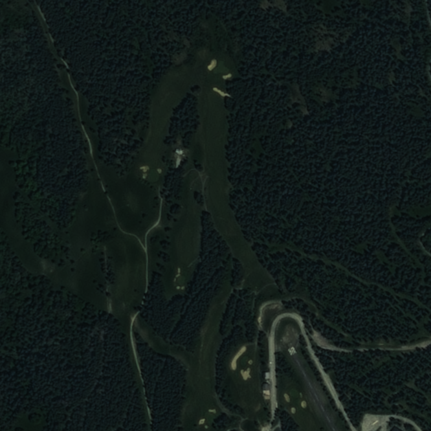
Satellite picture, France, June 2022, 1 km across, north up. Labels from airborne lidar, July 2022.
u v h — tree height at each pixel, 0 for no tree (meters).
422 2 13
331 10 0
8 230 0
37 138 12
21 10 8
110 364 24
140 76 28
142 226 0
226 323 12
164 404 21
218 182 0
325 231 26
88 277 0
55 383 34
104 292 8
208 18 16
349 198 31
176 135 13
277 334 0
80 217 0
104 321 23
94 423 23
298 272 7
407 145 31
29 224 17
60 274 0
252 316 10
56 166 20
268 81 24
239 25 8
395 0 25
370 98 29
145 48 28
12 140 14
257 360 0
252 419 0
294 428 16
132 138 16
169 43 16
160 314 22
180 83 0
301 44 23
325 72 20
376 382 7
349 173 31
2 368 31
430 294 20
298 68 18
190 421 0
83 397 26
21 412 26
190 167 0
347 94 27
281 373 17
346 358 9
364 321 25
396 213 0
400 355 0
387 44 26
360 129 29
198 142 0
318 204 25
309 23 17
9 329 11
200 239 0
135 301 0
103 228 0
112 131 22
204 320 19
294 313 0
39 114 13
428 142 29
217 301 0
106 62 25
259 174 12
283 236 8
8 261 18
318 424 0
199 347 0
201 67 0
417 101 9
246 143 20
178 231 0
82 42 30
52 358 30
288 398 0
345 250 31
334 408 14
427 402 28
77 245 0
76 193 19
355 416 14
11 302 16
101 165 0
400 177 23
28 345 5
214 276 20
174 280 0
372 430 0
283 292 21
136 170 0
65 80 0
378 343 0
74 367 22
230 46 7
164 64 26
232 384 0
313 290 28
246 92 23
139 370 0
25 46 18
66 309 26
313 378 0
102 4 28
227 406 16
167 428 22
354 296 28
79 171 21
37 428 0
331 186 26
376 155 27
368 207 27
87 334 14
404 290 24
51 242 14
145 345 18
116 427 19
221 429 21
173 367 20
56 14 22
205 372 0
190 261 0
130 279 0
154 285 20
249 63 12
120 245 0
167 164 8
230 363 0
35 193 13
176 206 13
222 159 0
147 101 25
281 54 33
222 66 0
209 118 0
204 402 0
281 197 32
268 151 20
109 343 23
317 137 22
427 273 16
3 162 0
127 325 0
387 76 21
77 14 27
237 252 0
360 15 31
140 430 21
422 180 29
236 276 16
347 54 18
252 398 0
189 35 27
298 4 22
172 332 11
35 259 0
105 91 28
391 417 0
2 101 16
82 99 0
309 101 21
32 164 14
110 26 14
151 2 6
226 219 0
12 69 15
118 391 22
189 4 21
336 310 10
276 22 18
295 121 12
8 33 19
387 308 19
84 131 0
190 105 17
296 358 0
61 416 18
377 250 26
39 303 14
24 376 31
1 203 0
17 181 10
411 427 20
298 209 29
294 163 11
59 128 25
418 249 12
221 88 0
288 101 22
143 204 0
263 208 28
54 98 21
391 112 27
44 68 8
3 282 17
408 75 28
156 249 0
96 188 0
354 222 15
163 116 0
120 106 19
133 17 23
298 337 0
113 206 0
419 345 0
